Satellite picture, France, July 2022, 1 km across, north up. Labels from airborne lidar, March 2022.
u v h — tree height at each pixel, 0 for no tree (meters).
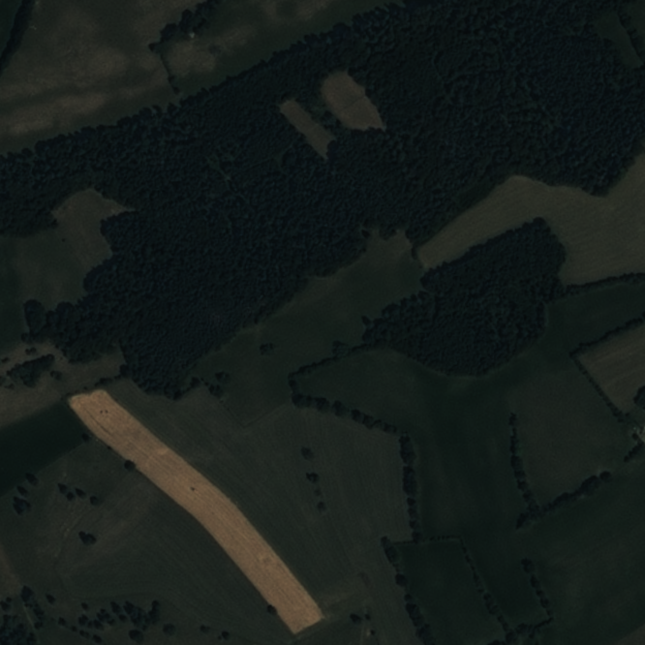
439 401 0
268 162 16
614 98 22
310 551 0
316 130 0
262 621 0
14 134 0
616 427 0
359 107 0
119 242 19
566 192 0
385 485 0
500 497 0
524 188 0
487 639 0
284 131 27
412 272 0
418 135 25
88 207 0
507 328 26
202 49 0
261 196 26
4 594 0
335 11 0
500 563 0
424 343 12
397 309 17
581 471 0
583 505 0
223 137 24
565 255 19
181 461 0
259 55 0
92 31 0
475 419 0
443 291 12
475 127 18
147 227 22
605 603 0
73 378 0
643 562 0
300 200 22
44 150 25
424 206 15
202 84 0
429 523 0
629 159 23
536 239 18
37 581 0
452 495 0
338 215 28
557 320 0
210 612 0
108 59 0
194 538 0
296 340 0
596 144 22
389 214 19
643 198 0
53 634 0
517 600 0
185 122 17
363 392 0
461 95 18
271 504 0
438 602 0
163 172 33
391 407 0
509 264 17
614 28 0
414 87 17
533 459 0
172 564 0
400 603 0
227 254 28
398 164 30
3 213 21
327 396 0
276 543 0
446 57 16
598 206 0
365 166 17
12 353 0
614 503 0
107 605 0
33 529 0
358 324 0
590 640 0
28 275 0
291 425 0
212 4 9
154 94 0
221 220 27
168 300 17
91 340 25
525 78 37
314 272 8
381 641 0
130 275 28
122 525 0
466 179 21
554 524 0
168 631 15
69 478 0
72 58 0
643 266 0
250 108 15
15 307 0
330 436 0
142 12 0
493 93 27
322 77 26
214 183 21
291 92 16
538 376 0
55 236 0
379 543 0
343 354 17
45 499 0
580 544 0
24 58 0
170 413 0
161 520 0
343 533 0
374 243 0
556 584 0
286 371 0
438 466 0
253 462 0
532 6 22
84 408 0
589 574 0
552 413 0
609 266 0
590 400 0
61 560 0
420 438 0
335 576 0
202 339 27
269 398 0
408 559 0
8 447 0
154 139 18
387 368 0
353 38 31
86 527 0
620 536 0
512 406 0
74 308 22
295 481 0
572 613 0
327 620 0
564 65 26
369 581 0
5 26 0
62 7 0
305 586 0
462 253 0
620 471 0
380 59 26
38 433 0
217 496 0
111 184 29
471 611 0
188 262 17
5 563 0
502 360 15
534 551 0
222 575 0
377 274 0
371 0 0
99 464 0
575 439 0
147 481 0
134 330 25
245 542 0
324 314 0
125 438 0
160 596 0
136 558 0
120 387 0
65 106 0
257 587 0
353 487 0
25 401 0
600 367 0
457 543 0
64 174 24
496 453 0
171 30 21
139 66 0
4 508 0
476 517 0
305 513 0
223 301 24
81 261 0
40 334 27
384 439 0
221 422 0
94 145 25
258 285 20
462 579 0
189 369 8
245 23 0
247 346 0
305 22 0
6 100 0
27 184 28
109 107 0
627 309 0
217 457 0
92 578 0
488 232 0
